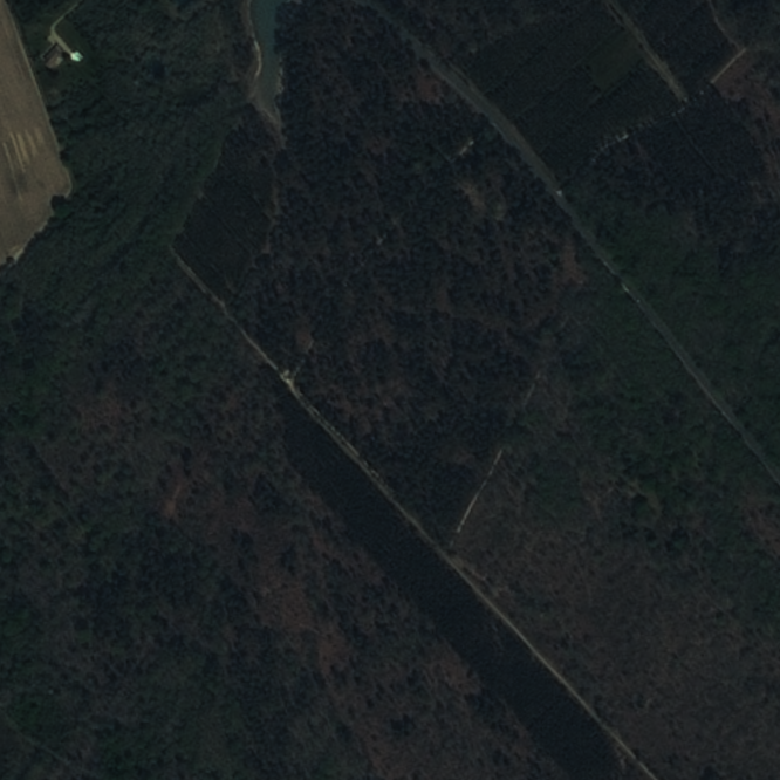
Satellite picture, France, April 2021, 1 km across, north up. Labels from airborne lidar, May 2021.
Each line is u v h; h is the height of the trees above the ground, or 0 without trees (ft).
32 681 39
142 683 38
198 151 60
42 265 52
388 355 73
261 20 0
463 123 60
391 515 48
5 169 0
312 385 75
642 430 57
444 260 84
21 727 36
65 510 66
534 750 21
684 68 48
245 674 77
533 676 30
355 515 43
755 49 27
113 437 57
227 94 68
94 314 25
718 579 52
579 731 41
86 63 0
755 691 41
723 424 54
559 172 38
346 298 85
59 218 25
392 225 68
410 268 75
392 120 69
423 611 43
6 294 54
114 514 85
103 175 27
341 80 28
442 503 85
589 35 36
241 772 46
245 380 56
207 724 43
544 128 39
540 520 47
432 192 72
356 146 82
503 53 41
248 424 43
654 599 29
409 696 28
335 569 45
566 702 35
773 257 93
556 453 69
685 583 52
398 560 35
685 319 57
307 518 51
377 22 85
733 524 70
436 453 97
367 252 73
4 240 0
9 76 0
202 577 55
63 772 29
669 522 27
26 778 54
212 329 83
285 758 57
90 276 45
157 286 57
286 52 80
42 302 45
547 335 54
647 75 38
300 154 86
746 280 62
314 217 83
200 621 31
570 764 39
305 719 76
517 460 45
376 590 27
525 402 45
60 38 0
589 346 55
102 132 50
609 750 44
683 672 41
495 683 39
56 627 27
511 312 81
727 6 29
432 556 44
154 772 48
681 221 46
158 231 73
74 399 21
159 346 53
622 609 0
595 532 43
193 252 39
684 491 33
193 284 29
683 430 51
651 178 90
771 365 66
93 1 20
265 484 53
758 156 56
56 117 20
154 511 19
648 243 54
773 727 31
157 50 30
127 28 23
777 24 69
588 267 60
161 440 56
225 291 52
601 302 57
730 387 52
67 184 0
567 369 65
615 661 37
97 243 19
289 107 73
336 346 72
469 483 81
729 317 60
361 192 75
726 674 40
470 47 44
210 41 45
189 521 30
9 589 44
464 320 26
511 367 86
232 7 53
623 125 40
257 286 39
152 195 54
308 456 31
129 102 21
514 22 62
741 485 58
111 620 80
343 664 33
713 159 56
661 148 49
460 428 88
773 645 32
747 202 94
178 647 73
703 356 38
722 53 40
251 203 41
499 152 82
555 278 68
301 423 33
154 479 51
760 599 52
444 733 33
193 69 39
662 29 46
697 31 44
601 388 52
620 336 51
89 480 24
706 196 89
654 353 61
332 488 38
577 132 35
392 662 31
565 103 35
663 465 57
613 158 83
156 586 53
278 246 76
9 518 52
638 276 52
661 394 56
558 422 56
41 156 0
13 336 67
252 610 60
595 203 50
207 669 56
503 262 84
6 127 0
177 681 60
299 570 33
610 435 53
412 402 38
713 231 88
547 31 33
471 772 36
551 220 69
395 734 20
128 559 62
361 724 21
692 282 51
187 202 77
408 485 51
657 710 35
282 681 42
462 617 42
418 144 80
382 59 25
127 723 33
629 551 49
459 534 79
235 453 26
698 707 26
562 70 33
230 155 31
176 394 88
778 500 48
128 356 68
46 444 22
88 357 20
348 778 53
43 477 80
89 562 66
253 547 63
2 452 75
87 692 32
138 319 33
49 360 93
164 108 26
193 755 35
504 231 49
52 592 52
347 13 77
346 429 83
